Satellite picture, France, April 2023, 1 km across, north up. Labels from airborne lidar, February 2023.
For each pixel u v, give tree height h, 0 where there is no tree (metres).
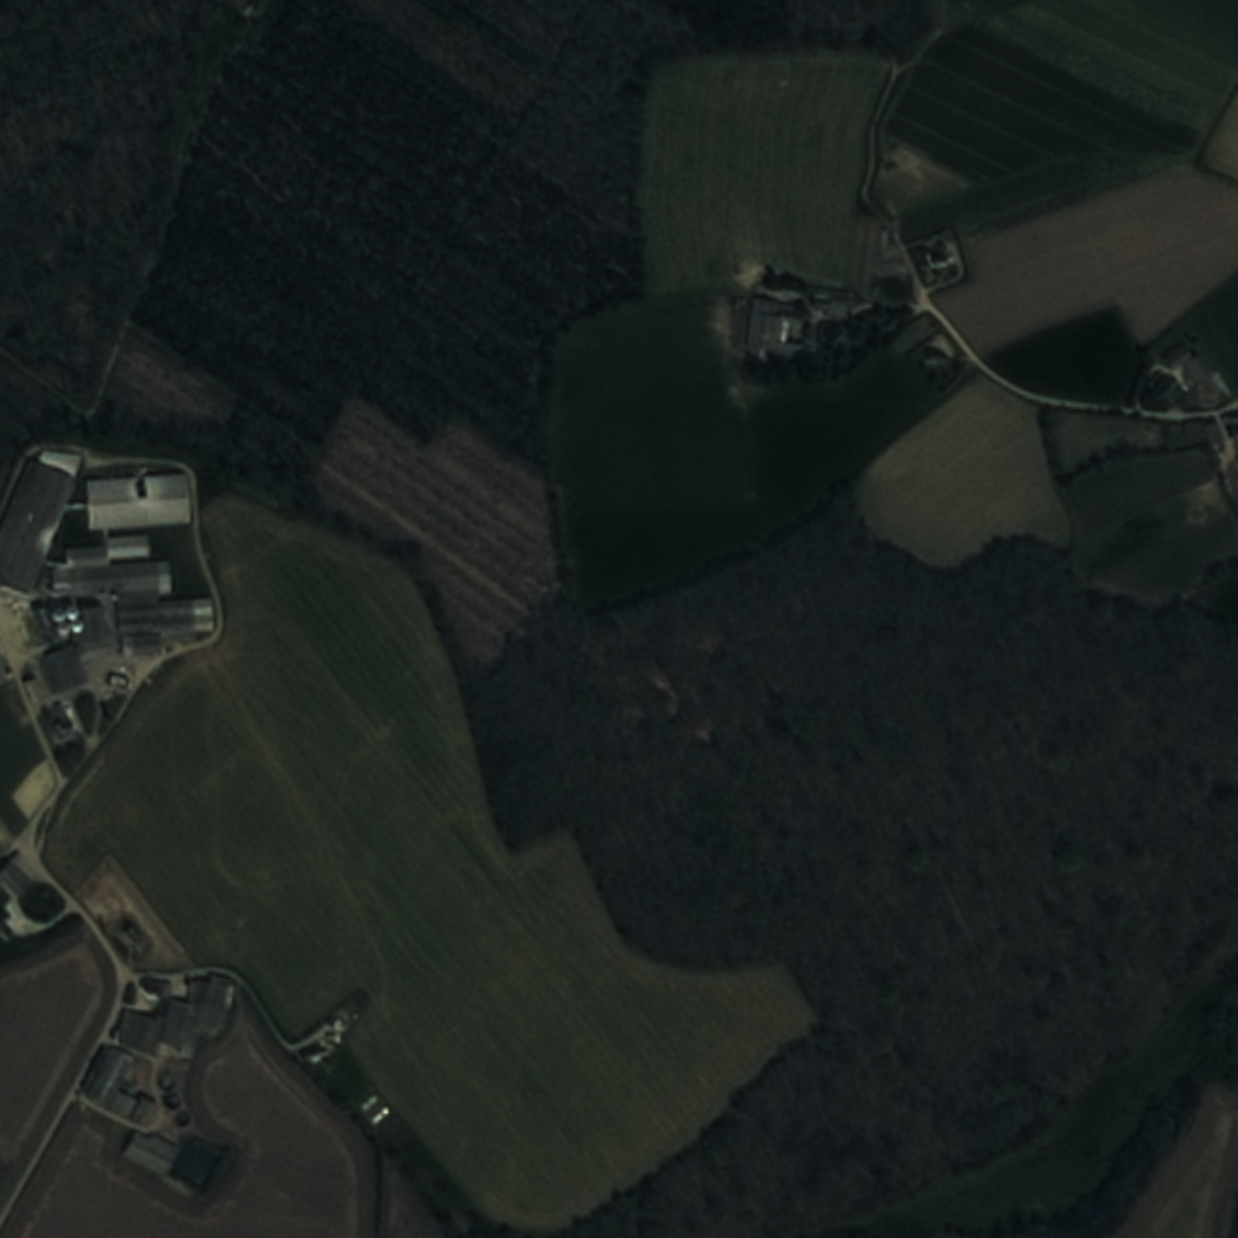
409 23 7
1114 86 0
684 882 14
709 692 19
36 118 21
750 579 17
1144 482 0
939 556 0
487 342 8
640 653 11
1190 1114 8
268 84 9
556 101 13
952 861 18
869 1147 19
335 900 0
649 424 0
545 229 7
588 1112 0
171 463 0
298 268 7
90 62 19
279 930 0
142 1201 0
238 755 0
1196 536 0
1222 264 0
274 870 0
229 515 0
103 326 14
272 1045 0
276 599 0
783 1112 14
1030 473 0
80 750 11
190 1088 0
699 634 11
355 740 0
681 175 0
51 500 0
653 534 0
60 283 13
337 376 7
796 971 12
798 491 0
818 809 12
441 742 0
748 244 0
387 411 7
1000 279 0
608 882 10
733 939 13
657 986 0
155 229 15
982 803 14
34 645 0
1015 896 13
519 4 9
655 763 13
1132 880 13
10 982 0
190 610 0
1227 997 10
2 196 12
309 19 6
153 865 0
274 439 11
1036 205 0
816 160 0
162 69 21
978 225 0
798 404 0
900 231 0
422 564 19
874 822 13
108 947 0
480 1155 0
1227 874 14
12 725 0
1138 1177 20
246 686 0
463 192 7
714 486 0
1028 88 0
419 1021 0
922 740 13
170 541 0
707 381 0
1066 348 0
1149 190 0
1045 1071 18
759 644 13
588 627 11
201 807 0
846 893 13
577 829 11
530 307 7
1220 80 0
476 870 0
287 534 0
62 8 14
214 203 7
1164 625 15
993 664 16
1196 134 0
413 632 0
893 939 13
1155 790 14
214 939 0
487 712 11
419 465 0
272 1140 0
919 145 0
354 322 8
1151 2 0
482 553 0
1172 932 20
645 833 14
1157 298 0
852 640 14
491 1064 0
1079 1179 0
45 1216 0
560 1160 0
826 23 15
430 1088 0
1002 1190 0
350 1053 0
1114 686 11
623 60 6
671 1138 0
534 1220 0
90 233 16
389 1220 0
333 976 0
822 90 0
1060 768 13
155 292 8
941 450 0
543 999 0
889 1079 19
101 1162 0
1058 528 0
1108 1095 0
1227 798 23
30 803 0
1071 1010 15
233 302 7
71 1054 0
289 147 7
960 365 11
